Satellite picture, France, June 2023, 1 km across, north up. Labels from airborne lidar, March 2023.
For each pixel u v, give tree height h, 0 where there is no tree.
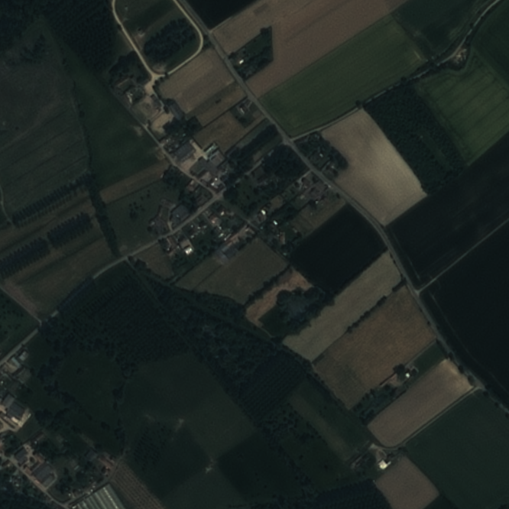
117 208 0
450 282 0
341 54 0
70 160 0
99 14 20
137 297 10
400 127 7
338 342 0
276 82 0
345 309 0
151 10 0
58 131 0
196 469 0
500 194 0
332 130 0
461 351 0
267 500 0
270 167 17
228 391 10
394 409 0
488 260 0
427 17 0
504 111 0
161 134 0
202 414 0
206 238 0
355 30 0
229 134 0
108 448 0
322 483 0
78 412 11
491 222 0
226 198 12
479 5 0
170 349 9
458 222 0
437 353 0
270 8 0
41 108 0
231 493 0
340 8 0
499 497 0
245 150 11
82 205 0
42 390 0
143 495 0
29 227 0
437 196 0
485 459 0
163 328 9
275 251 7
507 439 0
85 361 0
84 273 0
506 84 0
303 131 0
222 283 0
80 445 0
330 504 28
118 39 0
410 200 0
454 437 0
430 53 0
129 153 0
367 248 0
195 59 0
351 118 0
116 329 10
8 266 28
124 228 0
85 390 0
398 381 0
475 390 0
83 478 14
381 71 0
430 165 6
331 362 0
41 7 19
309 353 0
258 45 0
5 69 0
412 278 0
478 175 0
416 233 0
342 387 0
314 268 0
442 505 0
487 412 0
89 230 0
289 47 0
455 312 0
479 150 0
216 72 0
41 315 0
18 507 11
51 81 0
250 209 9
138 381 0
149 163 0
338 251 0
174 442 0
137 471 0
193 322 19
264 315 0
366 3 0
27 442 0
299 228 0
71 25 23
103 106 0
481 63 0
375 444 0
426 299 0
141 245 0
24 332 0
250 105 0
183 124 8
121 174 0
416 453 0
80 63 0
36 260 0
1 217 0
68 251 0
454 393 0
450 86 0
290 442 0
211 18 0
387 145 0
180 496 0
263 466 0
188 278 0
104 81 0
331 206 0
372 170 0
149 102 0
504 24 0
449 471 0
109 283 0
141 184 0
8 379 0
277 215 13
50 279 0
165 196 0
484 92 0
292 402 0
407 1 0
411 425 0
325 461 0
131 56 10
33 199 0
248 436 0
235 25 0
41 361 0
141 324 10
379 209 0
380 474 0
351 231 0
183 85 0
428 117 7
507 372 0
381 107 8
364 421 12
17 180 0
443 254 0
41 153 0
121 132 0
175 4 0
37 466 0
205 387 0
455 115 0
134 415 0
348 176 0
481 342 0
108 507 0
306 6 0
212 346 9
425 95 0
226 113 0
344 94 0
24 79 0
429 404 0
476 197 0
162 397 0
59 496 0
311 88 0
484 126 0
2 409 0
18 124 0
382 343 0
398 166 0
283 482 0
